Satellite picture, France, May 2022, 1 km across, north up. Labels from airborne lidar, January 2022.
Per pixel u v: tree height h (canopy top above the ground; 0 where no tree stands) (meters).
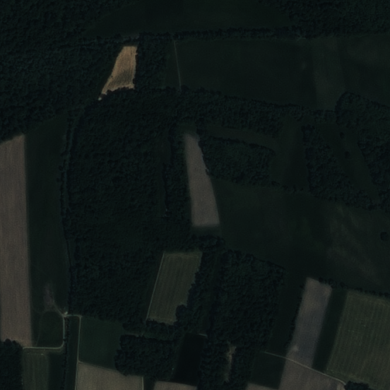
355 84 0
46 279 0
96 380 0
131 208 16
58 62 25
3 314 0
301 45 0
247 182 19
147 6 0
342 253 0
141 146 31
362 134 9
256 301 15
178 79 0
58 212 0
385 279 0
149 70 27
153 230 18
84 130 18
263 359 0
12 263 0
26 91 9
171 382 0
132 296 23
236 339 22
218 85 0
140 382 0
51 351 0
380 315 0
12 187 0
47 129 0
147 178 22
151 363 23
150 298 0
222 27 0
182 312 24
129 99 23
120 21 0
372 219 0
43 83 23
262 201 0
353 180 0
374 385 0
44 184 0
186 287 0
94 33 0
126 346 18
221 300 22
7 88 21
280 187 9
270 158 7
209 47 0
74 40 19
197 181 0
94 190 25
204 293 28
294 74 0
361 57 0
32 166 0
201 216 0
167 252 0
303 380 0
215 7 0
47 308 0
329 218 0
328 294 0
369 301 0
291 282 0
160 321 0
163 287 0
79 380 0
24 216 0
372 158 12
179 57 0
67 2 22
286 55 0
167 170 22
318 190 19
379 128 13
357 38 0
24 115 7
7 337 0
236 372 23
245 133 0
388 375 0
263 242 0
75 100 24
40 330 0
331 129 0
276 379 0
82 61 22
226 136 0
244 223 0
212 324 19
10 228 0
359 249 0
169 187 21
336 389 0
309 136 25
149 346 22
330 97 0
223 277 19
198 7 0
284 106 9
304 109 9
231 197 0
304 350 0
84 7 26
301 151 0
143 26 0
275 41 0
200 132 22
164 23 0
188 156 0
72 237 13
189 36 17
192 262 0
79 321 0
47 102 21
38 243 0
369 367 0
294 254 0
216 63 0
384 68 0
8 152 0
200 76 0
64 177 15
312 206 0
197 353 0
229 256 23
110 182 16
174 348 7
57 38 17
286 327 0
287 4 22
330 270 0
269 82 0
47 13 24
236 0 0
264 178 26
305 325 0
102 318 15
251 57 0
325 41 0
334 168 18
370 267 0
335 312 0
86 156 21
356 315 0
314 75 0
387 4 19
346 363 0
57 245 0
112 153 25
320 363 0
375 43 0
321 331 0
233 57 0
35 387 0
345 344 0
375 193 0
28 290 0
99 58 19
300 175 0
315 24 29
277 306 23
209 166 21
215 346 22
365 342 0
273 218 0
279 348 0
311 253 0
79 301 19
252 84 0
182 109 18
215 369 26
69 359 0
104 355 0
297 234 0
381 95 0
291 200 0
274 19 0
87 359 0
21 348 13
